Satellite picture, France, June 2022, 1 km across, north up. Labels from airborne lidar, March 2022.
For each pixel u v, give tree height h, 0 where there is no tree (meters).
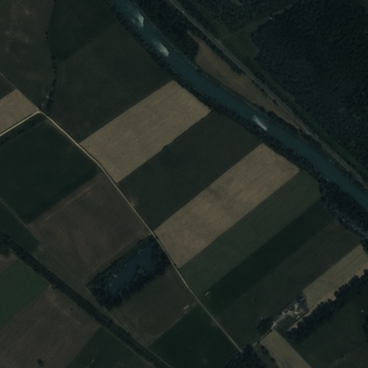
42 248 0
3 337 0
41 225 0
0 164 0
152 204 0
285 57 18
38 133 0
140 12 0
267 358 0
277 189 0
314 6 14
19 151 0
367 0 0
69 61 0
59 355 0
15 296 0
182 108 0
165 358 0
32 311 0
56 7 0
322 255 0
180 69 0
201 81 0
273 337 0
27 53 0
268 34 11
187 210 0
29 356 0
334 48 11
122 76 0
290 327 0
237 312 0
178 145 0
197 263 0
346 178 0
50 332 0
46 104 0
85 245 0
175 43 6
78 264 0
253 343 0
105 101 0
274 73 16
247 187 0
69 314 0
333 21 22
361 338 0
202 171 0
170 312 0
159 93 0
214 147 0
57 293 0
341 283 0
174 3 0
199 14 13
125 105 0
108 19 0
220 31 0
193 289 0
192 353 0
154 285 0
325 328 0
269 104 0
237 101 0
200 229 0
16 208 0
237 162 0
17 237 0
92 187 0
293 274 0
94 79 0
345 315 0
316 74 17
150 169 0
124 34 0
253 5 17
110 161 0
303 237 0
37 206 0
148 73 0
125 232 0
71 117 0
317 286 0
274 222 0
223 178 0
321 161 0
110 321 8
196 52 6
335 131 15
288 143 0
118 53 0
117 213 0
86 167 0
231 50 0
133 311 0
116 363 0
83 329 0
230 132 0
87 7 0
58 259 0
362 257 0
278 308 0
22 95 0
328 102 16
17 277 0
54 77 0
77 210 0
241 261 0
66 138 0
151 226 0
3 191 0
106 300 31
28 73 0
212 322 0
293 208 0
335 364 0
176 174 0
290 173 0
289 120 0
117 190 0
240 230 0
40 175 0
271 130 0
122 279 0
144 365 0
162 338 0
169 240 0
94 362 0
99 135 0
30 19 0
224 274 0
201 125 0
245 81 0
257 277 0
